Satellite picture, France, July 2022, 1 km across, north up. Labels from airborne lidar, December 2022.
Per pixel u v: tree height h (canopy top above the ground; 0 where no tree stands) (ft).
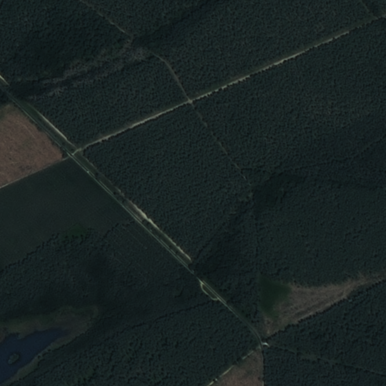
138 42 49
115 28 77
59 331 0
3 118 0
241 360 62
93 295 53
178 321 85
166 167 61
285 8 66
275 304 0
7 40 50
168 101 63
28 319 0
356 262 69
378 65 67
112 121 71
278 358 75
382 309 85
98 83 83
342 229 77
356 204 80
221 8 69
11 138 0
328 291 0
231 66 66
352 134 76
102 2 67
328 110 65
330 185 60
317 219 71
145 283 58
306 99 63
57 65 41
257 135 75
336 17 69
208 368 80
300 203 83
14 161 0
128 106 63
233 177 68
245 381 0
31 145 0
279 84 65
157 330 73
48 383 89
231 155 58
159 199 65
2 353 0
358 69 75
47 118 72
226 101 70
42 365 55
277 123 75
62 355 44
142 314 62
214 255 38
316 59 77
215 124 71
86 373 92
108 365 77
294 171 65
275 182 70
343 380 73
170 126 68
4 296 41
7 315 39
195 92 70
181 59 70
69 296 45
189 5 70
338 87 74
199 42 78
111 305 43
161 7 73
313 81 66
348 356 73
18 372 0
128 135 75
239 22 67
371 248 66
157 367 84
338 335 90
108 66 66
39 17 55
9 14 73
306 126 62
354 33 48
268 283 0
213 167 77
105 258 52
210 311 92
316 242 82
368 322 83
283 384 66
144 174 68
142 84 68
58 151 0
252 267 79
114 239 59
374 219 72
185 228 80
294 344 87
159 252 50
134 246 48
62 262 67
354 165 60
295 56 0
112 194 0
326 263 84
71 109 78
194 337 78
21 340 0
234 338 84
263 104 73
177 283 55
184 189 70
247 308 21
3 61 64
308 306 0
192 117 69
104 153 71
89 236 42
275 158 70
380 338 93
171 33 24
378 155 67
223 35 66
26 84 50
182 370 79
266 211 89
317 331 82
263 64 71
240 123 75
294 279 87
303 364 75
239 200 79
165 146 73
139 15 71
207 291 0
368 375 77
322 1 73
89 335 38
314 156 74
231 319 77
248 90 75
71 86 66
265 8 64
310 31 62
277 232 81
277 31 70
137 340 81
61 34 59
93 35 61
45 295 49
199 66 67
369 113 64
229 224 60
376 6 72
